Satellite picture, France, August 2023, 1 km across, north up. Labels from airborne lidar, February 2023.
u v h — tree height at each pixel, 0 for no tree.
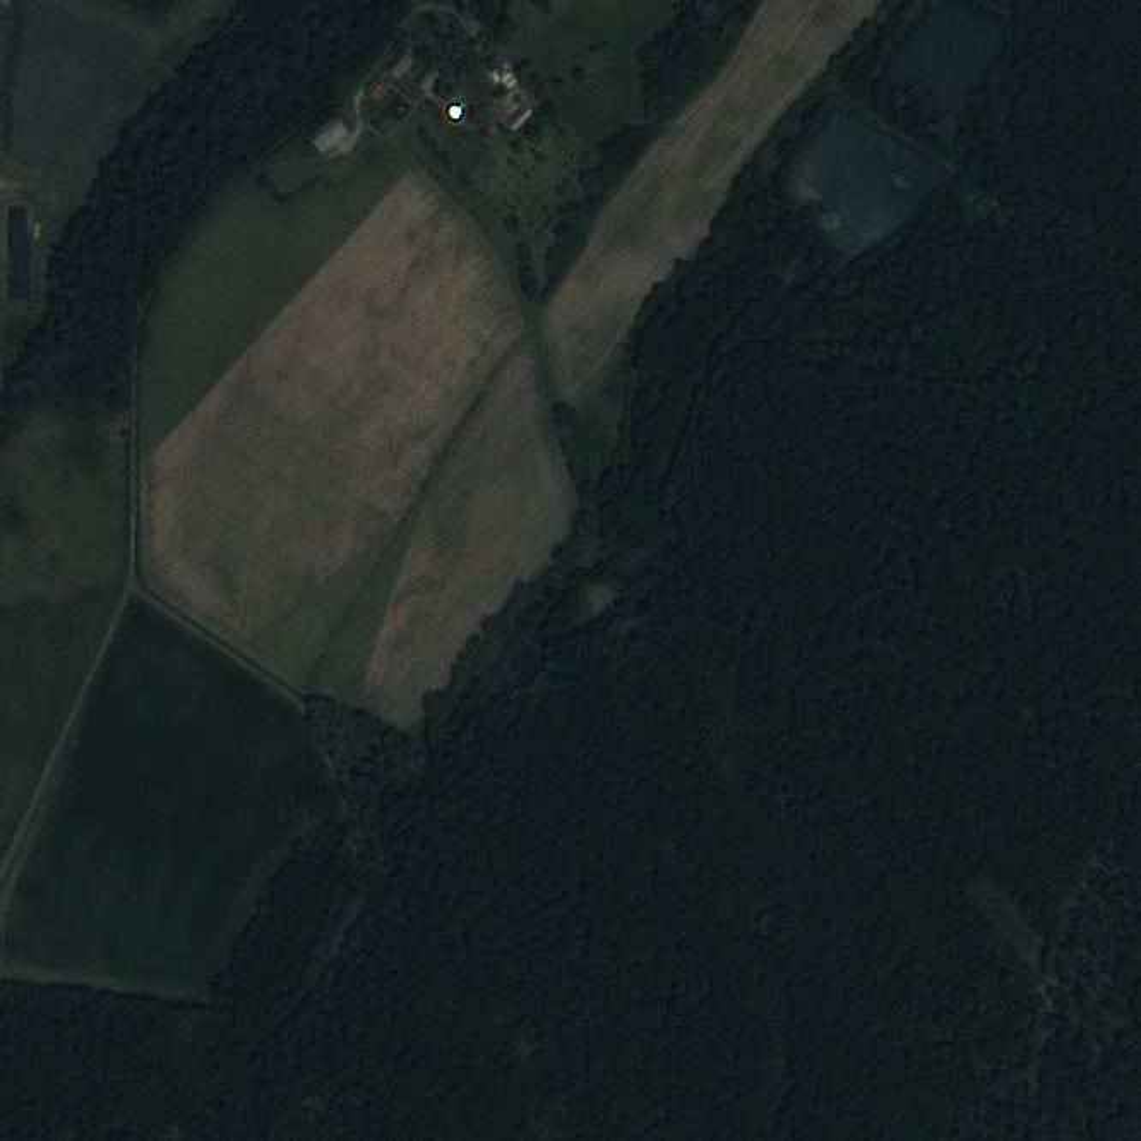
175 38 0
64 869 0
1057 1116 20
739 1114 25
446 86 15
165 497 0
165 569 0
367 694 0
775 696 23
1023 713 24
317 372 0
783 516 24
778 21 0
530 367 0
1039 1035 15
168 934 0
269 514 0
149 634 0
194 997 0
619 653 18
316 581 0
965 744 22
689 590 26
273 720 0
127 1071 25
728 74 0
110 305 20
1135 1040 21
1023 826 25
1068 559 26
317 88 17
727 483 23
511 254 0
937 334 19
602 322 0
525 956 20
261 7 18
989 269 25
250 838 0
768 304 14
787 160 8
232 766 0
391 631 0
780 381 29
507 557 0
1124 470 20
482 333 0
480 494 0
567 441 15
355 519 0
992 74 10
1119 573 25
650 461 16
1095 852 21
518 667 0
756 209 16
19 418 24
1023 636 25
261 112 20
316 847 7
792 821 19
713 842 21
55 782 0
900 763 22
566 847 27
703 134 0
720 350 12
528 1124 14
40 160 0
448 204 0
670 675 19
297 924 15
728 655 22
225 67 30
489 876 25
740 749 21
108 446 0
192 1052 20
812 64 0
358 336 0
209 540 0
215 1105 23
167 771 0
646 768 25
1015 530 22
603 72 0
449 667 0
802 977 20
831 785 25
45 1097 24
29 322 0
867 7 0
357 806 26
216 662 0
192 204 19
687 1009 17
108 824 0
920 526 24
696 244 0
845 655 25
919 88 7
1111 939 24
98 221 21
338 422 0
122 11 0
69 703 0
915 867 24
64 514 0
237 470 0
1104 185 24
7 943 0
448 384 0
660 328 14
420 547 0
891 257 13
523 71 13
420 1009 23
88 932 0
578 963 20
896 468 27
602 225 0
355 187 0
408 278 0
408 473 0
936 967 24
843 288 14
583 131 0
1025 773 24
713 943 22
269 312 0
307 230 0
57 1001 22
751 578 25
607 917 22
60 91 0
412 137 0
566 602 12
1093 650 22
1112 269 22
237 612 0
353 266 0
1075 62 25
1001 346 11
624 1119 20
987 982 23
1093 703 23
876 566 28
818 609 25
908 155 0
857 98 6
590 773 22
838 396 11
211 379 0
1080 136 25
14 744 0
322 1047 26
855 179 0
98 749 0
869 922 23
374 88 0
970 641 21
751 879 23
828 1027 22
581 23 0
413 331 0
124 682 0
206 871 0
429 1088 16
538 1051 11
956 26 0
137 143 20
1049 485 22
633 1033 27
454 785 23
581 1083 18
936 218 25
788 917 26
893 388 26
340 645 0
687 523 23
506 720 18
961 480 25
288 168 0
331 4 16
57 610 0
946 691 25
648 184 0
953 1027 20
